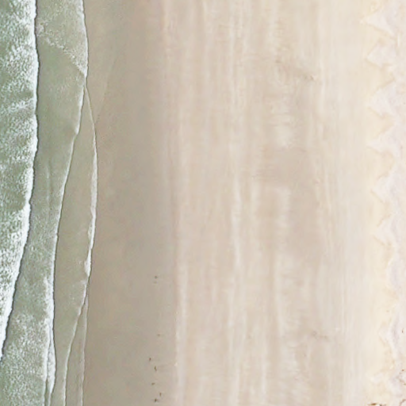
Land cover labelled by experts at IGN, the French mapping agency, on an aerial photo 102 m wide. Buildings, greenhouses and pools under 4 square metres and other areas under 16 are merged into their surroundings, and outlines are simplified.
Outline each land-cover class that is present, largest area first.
<instances>
[{"label":"bare soil","instance_id":"1","mask_svg":"<svg viewBox=\"0 0 406 406\"><path fill-rule=\"evenodd\" d=\"M87 32V78L82 97L79 132L71 135V141H75L76 136H81L86 147H92V144L97 143V222L87 281L89 308L82 406H406V0H82Z\"/></svg>","mask_w":406,"mask_h":406},{"label":"water","instance_id":"2","mask_svg":"<svg viewBox=\"0 0 406 406\"><path fill-rule=\"evenodd\" d=\"M87 78V32L82 0H0V406H82L89 308L87 281L97 222V143L92 144V147H86L81 136H76L75 141H71V135L79 132L82 97Z\"/></svg>","mask_w":406,"mask_h":406}]
</instances>
